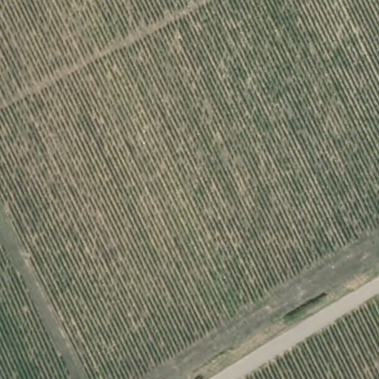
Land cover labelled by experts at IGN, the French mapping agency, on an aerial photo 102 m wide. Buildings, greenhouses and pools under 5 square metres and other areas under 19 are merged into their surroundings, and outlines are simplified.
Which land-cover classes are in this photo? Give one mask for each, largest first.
<instances>
[{"label":"vineyard","instance_id":"1","mask_svg":"<svg viewBox=\"0 0 379 379\"><path fill-rule=\"evenodd\" d=\"M376 228L379 231V0H0V379H138L148 372V361L152 358L154 363H161L172 357L188 343L203 338L207 330L216 329L221 324L219 321L235 317V309H238V306L253 301L255 311L264 308L268 303L264 296L265 289L277 283H284L287 278L295 277L303 266L311 265L312 261L320 259V256L332 252L335 244L345 246L351 238L355 240L360 229L364 231ZM246 379H379V293L367 299L360 308L339 317L323 332L314 333L305 341L296 343L292 351L284 352V355L275 358L272 363L262 364L258 370L247 375Z\"/></svg>","mask_w":379,"mask_h":379},{"label":"herbaceous vegetation","instance_id":"2","mask_svg":"<svg viewBox=\"0 0 379 379\"><path fill-rule=\"evenodd\" d=\"M355 240L351 238L345 246L335 244L332 252L320 256V259L312 261L311 265L303 266L295 277L287 278L284 283H277L265 289L264 296L268 303L264 308L255 311L253 301L238 306V309H235V317L219 321L221 324L216 329L207 330L203 338L188 343L172 357L161 363H154L152 358L148 361V372L138 379H210L277 338L281 333L287 332L296 323L284 321L287 312L298 308L301 303L315 298L320 293H326V298L306 309L301 315L302 320L338 302L343 296L357 292L375 278L379 280V231L376 228L364 231L360 229Z\"/></svg>","mask_w":379,"mask_h":379},{"label":"pervious surface","instance_id":"3","mask_svg":"<svg viewBox=\"0 0 379 379\"><path fill-rule=\"evenodd\" d=\"M379 293V280L375 278L357 292L343 296L338 302L296 323L287 332L281 333L277 338L210 379H246L247 375L258 370L262 364L272 363L275 358L284 355V352L292 351L296 343L305 341L314 333L323 332L339 317L360 308L367 299Z\"/></svg>","mask_w":379,"mask_h":379},{"label":"deciduous trees","instance_id":"4","mask_svg":"<svg viewBox=\"0 0 379 379\"><path fill-rule=\"evenodd\" d=\"M326 293H320L315 298L301 303L298 308L287 312L284 321L296 323L302 320L301 315L306 309L326 298Z\"/></svg>","mask_w":379,"mask_h":379}]
</instances>
